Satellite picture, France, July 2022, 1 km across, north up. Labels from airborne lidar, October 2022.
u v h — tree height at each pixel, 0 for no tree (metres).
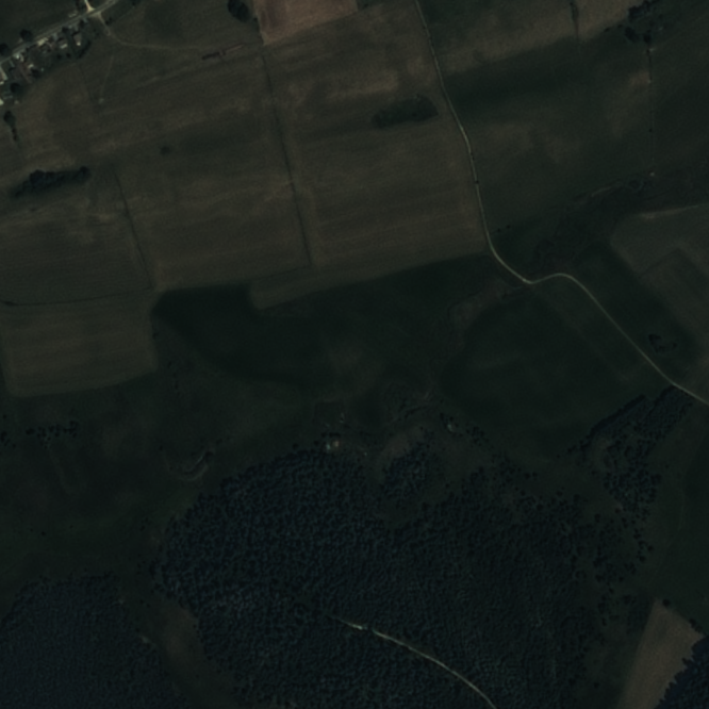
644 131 0
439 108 0
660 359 0
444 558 13
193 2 0
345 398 0
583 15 0
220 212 0
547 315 0
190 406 0
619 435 16
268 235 0
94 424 0
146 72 0
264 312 0
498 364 0
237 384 0
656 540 0
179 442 0
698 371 0
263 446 0
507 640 12
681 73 0
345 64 0
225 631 15
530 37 0
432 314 0
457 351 0
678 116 0
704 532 0
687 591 0
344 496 20
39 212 0
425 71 0
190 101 0
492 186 0
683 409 14
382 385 0
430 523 7
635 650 0
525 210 0
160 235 0
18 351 0
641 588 0
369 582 20
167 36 0
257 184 0
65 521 0
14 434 0
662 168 0
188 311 0
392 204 0
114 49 0
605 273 0
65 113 0
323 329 0
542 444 0
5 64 0
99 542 0
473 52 0
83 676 9
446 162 0
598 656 0
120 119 0
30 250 0
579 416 0
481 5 0
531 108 0
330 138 0
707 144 0
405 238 0
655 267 0
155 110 0
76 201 0
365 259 0
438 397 0
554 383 0
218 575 13
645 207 0
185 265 0
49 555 0
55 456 0
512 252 0
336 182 0
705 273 0
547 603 13
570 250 0
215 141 0
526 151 0
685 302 0
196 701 0
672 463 0
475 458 0
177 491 0
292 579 16
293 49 0
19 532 0
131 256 0
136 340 0
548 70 0
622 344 0
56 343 0
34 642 7
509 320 0
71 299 0
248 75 0
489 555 10
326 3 0
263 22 0
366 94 0
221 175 0
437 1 0
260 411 0
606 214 0
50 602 8
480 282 0
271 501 15
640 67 0
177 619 0
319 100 0
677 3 0
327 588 20
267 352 0
